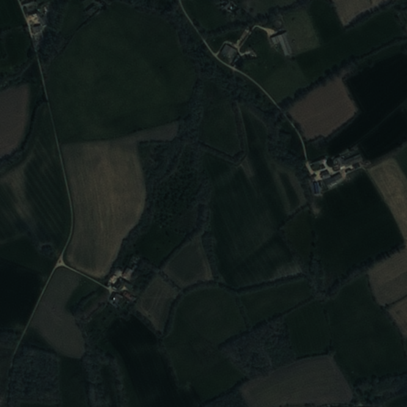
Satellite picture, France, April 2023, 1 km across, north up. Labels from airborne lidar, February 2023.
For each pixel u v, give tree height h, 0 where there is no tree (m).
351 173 0
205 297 0
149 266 9
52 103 0
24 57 0
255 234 0
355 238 0
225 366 0
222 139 0
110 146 0
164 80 0
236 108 11
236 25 14
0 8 0
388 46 8
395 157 0
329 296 13
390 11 0
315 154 0
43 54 18
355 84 0
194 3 0
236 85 9
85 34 0
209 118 0
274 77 0
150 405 0
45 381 10
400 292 0
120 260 12
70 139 0
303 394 0
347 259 0
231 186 0
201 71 10
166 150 6
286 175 0
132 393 0
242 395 11
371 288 7
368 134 0
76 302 0
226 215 0
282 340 14
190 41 28
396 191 0
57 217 0
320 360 0
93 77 0
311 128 0
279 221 0
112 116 0
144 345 0
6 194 0
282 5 0
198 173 8
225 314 0
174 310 12
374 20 0
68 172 0
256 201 0
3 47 0
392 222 0
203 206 15
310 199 18
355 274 15
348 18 0
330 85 0
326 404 0
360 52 0
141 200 0
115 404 0
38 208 0
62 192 0
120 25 0
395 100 0
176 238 0
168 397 0
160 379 0
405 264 0
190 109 7
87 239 0
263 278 0
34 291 0
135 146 0
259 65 0
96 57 0
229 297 0
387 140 0
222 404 16
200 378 0
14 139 0
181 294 9
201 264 0
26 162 0
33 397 17
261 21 19
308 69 0
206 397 0
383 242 0
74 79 0
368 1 0
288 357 12
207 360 0
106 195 0
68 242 0
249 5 0
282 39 0
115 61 0
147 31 0
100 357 10
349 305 0
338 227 0
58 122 0
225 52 0
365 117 0
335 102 0
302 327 0
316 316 0
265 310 0
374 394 10
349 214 0
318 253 0
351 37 0
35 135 0
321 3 0
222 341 0
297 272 0
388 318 12
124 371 0
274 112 16
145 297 0
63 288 0
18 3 0
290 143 0
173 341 0
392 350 0
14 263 0
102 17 0
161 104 0
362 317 0
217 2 12
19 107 0
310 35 0
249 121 0
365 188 0
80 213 0
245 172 0
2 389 0
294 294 0
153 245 0
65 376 0
